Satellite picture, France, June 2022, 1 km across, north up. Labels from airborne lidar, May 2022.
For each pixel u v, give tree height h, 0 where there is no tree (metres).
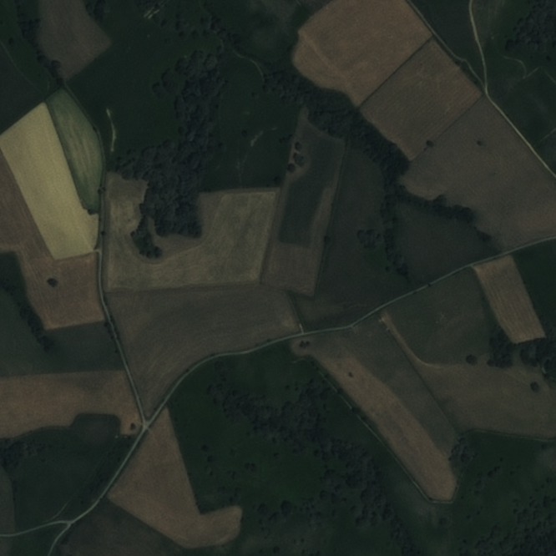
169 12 0
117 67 0
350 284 0
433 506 0
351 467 11
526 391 0
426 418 0
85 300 0
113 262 0
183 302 0
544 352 11
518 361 0
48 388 0
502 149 0
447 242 0
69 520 0
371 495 16
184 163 10
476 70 0
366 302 0
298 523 0
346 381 0
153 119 0
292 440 13
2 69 0
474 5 0
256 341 0
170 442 0
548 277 0
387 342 0
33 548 0
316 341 0
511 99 0
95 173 0
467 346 0
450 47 0
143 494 0
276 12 0
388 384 0
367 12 0
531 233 0
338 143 0
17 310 0
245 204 0
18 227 0
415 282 0
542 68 0
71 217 0
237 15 0
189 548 0
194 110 20
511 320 0
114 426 0
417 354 0
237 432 0
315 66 0
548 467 0
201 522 0
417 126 0
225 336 0
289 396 0
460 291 0
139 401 0
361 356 0
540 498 0
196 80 14
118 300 0
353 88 0
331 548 0
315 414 19
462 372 0
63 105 0
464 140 0
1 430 0
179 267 0
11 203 0
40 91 0
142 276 0
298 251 0
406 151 0
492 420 0
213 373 0
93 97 0
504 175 0
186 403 0
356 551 0
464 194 0
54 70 9
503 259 0
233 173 0
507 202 0
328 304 0
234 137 0
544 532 15
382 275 0
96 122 0
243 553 0
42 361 0
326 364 0
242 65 0
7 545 0
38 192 0
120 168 11
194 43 0
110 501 0
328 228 0
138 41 0
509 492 0
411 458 0
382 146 17
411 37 0
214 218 0
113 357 0
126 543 0
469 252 0
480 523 0
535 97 0
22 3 9
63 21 0
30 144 0
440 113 0
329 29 0
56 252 0
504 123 0
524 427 0
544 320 10
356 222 0
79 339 0
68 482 0
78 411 0
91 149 0
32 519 0
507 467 0
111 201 0
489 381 0
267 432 18
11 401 0
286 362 0
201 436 0
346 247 0
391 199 13
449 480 0
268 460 0
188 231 12
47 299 0
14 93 0
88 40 0
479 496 10
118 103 0
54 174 0
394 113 0
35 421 0
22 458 15
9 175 0
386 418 0
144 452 0
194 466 0
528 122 0
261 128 0
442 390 0
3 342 0
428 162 0
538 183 0
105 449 0
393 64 0
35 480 0
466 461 16
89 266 0
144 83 0
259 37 0
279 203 0
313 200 0
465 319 0
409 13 0
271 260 0
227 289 0
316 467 0
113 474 0
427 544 0
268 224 0
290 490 0
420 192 0
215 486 0
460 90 0
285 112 0
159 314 0
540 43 16
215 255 0
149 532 0
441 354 0
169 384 0
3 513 0
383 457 0
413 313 0
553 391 0
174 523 0
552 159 0
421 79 0
